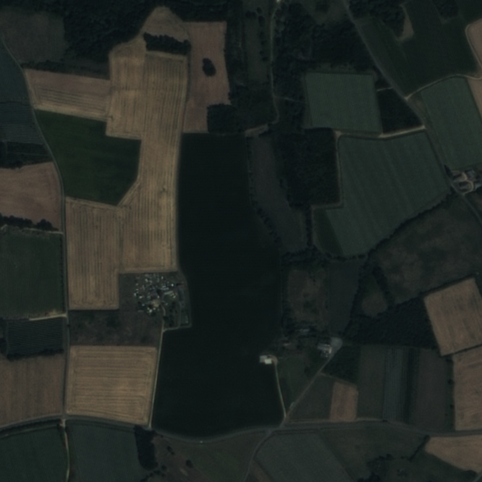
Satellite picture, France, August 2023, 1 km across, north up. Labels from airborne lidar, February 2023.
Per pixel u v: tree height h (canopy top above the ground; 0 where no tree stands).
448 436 0
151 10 10
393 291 0
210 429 0
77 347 0
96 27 20
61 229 0
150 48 8
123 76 0
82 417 0
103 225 0
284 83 11
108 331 0
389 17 17
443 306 0
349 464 0
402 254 0
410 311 12
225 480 0
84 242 0
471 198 0
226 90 0
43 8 15
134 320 0
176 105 0
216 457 0
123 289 0
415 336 10
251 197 6
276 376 0
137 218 0
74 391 0
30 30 0
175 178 0
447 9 14
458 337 0
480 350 0
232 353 0
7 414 0
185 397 0
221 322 0
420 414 0
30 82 0
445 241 0
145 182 0
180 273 0
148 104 0
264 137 7
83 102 0
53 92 0
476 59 0
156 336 0
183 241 0
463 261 0
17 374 0
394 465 0
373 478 13
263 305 0
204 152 0
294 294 0
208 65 20
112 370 0
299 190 0
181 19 9
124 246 0
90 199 0
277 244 11
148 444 18
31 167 0
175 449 0
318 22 0
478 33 0
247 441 0
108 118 0
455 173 0
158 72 0
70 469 0
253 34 0
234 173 0
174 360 0
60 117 0
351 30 11
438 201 0
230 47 0
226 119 13
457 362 0
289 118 6
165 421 0
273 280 0
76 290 0
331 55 8
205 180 0
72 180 0
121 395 0
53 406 0
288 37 15
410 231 0
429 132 0
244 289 0
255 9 0
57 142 0
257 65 0
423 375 0
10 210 0
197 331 0
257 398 0
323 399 0
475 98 0
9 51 0
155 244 0
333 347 0
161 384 0
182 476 0
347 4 0
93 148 0
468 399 0
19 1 19
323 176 0
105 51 18
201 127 0
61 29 0
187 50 10
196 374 0
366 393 0
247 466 0
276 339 0
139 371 0
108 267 0
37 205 0
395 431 0
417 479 0
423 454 0
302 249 0
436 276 0
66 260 0
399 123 0
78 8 25
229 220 0
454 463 0
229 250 0
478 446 0
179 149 0
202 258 0
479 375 0
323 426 0
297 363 0
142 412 0
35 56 0
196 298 0
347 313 0
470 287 0
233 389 0
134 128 0
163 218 0
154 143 0
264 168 0
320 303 0
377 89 0
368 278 6
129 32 17
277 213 0
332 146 14
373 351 0
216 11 9
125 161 0
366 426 0
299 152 0
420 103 0
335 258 7
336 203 0
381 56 0
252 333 0
